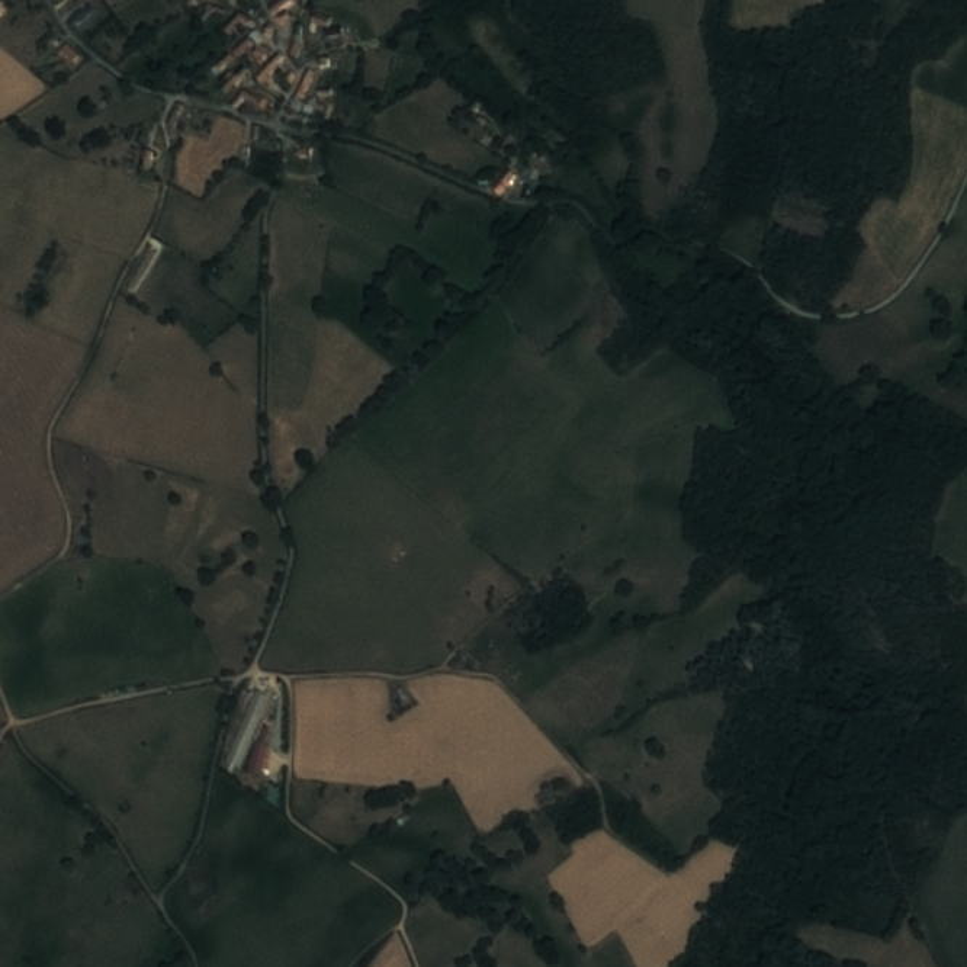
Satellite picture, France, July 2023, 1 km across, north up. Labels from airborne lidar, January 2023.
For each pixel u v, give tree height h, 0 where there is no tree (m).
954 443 14
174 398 0
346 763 0
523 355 0
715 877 0
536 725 0
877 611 9
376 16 0
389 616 0
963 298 0
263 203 16
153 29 11
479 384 0
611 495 0
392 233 0
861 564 10
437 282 23
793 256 11
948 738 15
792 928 19
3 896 0
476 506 0
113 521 0
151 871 0
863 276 0
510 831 9
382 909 0
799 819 22
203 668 0
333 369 0
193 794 0
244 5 12
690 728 0
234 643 0
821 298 9
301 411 0
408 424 0
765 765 18
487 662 0
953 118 0
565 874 0
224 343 0
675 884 0
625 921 0
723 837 14
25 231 0
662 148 0
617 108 0
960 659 9
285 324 0
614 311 0
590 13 11
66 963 0
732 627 0
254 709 0
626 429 0
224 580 0
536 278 0
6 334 0
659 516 0
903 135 11
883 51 9
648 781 0
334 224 0
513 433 0
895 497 13
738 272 6
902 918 11
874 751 15
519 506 0
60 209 0
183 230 0
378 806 20
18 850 0
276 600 13
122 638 0
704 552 8
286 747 7
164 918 9
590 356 0
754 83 21
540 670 0
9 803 0
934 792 17
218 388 0
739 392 15
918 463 16
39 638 0
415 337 0
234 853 0
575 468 0
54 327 0
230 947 0
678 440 0
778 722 17
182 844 0
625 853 0
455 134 0
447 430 0
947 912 0
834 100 11
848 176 10
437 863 16
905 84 10
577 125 7
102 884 0
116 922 0
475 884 24
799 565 24
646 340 13
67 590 0
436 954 0
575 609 17
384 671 0
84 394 0
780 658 27
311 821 0
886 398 10
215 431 0
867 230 0
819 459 20
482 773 0
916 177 0
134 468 0
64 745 0
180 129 7
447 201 0
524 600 8
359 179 0
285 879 0
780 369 13
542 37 11
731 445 14
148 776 0
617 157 0
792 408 24
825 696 15
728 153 14
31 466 0
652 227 9
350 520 0
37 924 0
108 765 0
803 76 11
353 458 0
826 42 15
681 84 0
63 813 0
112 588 0
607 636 0
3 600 0
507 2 0
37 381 0
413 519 0
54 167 0
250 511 0
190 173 0
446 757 0
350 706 0
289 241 0
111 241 0
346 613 0
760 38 12
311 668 0
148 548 0
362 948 0
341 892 0
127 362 0
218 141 0
